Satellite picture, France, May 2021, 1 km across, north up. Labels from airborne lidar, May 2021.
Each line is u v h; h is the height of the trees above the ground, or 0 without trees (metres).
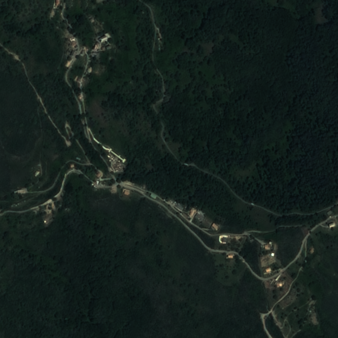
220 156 11
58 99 11
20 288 9
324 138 23
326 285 0
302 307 0
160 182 8
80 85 0
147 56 10
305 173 15
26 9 14
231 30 12
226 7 23
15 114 7
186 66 15
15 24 18
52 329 11
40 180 12
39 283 10
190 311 12
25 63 8
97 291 21
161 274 6
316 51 14
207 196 15
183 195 5
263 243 0
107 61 7
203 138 14
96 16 8
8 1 11
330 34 15
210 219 0
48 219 0
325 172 13
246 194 22
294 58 21
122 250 15
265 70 20
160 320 6
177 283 13
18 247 9
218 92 19
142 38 12
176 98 18
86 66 0
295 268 0
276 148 11
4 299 10
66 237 8
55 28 8
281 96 21
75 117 17
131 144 7
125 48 8
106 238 11
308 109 13
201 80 7
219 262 0
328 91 11
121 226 0
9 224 7
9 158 0
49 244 15
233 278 0
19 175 0
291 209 14
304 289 0
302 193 18
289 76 32
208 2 12
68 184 9
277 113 13
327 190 10
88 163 0
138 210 7
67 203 11
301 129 19
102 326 20
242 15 20
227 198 8
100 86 6
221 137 13
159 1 13
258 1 12
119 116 17
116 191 0
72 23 11
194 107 11
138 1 12
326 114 16
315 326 10
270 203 12
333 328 5
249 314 9
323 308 0
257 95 26
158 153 15
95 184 0
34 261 19
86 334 14
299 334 5
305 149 11
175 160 18
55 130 7
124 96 6
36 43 12
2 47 15
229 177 12
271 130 6
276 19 27
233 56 11
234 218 8
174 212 0
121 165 0
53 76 12
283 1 9
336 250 0
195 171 12
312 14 17
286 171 7
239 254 10
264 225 0
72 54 0
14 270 6
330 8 28
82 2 10
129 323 10
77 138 15
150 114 17
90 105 0
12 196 6
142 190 0
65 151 11
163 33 12
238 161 11
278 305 7
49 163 0
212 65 14
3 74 6
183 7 24
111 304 8
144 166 9
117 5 7
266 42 8
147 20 13
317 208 6
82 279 12
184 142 16
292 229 7
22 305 12
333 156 6
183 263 0
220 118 13
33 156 0
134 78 16
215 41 18
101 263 7
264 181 12
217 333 6
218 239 0
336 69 17
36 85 5
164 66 7
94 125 21
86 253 18
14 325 11
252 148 6
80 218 7
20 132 11
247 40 12
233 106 7
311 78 13
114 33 14
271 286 0
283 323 0
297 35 31
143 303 6
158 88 9
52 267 8
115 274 6
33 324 12
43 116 11
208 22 23
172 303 8
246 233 0
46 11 6
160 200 0
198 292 13
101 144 15
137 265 5
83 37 6
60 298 12
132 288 12
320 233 8
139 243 9
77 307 14
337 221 0
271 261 0
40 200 0
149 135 14
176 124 18
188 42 18
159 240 12
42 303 11
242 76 8
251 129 12
